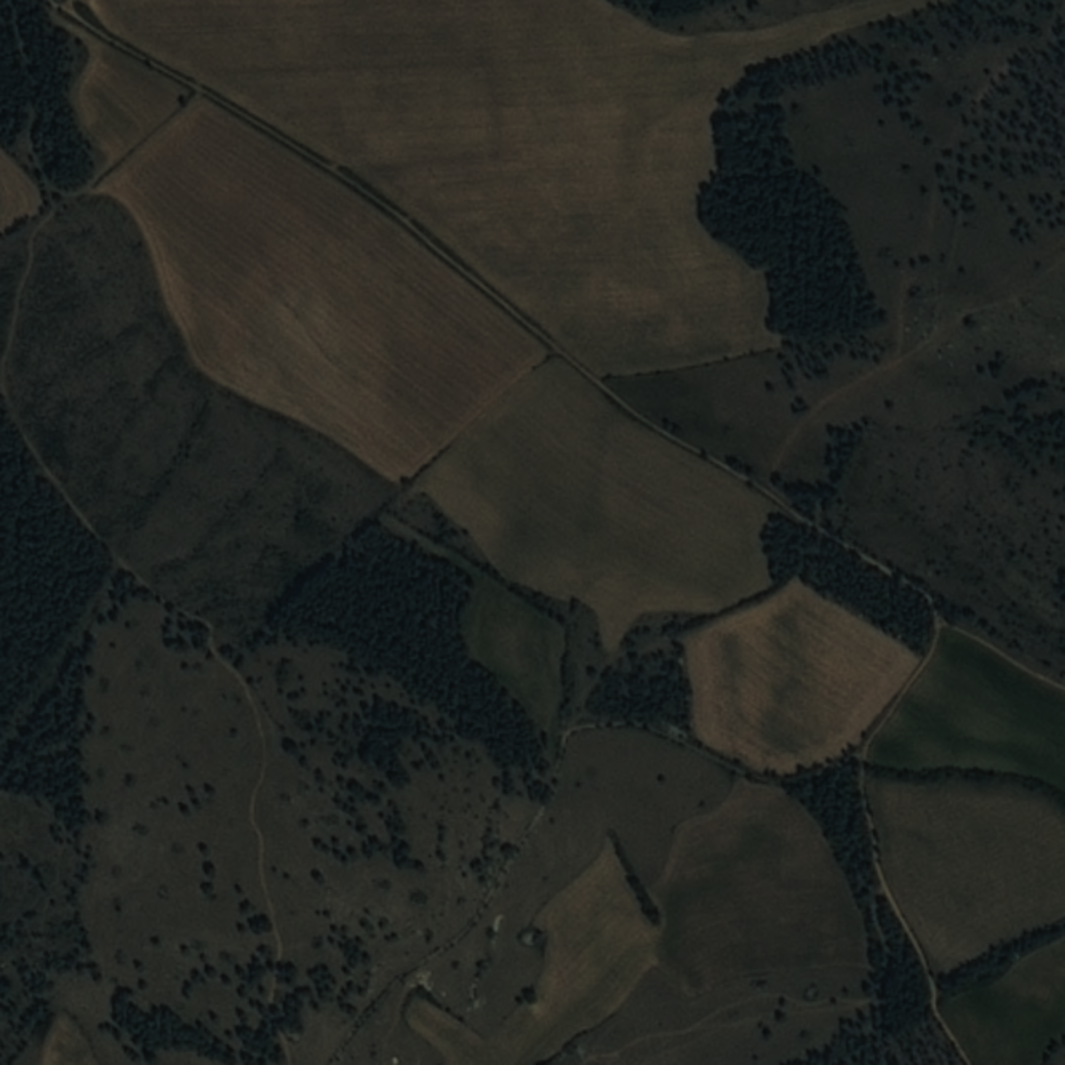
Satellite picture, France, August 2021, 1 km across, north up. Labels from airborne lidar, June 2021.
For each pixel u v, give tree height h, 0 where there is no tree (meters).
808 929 0
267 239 0
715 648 0
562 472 0
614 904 0
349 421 0
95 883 0
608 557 0
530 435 0
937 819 0
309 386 0
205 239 0
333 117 0
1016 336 0
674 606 0
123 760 0
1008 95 11
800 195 16
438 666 15
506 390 0
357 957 13
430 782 0
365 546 12
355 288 0
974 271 0
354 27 0
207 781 0
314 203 0
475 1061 0
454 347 0
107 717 0
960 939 0
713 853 0
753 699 0
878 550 0
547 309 0
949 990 12
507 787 9
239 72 0
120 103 0
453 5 0
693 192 0
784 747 0
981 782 6
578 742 0
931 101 0
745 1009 0
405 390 0
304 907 0
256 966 10
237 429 0
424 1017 0
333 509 0
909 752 0
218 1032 0
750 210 17
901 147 0
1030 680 0
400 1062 0
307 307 0
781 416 0
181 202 0
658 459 0
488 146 0
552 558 0
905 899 0
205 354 0
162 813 0
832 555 13
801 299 15
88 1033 0
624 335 0
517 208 0
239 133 0
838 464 7
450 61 0
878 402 0
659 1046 0
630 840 0
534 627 0
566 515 0
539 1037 0
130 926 0
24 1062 0
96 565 13
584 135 0
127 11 0
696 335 0
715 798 0
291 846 0
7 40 13
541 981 0
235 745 0
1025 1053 0
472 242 0
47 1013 11
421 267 0
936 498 0
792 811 0
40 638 12
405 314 0
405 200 0
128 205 0
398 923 0
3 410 8
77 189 14
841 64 11
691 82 0
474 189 0
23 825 0
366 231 0
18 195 0
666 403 0
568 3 0
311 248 0
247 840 0
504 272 0
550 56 0
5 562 14
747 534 0
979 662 0
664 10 16
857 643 0
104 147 0
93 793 0
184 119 0
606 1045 0
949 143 0
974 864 0
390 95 0
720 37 0
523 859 0
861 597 15
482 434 0
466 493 0
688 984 0
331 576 17
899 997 16
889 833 0
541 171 0
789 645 0
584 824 0
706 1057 0
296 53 0
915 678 0
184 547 0
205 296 0
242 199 0
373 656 16
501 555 0
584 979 0
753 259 14
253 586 0
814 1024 0
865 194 0
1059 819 0
